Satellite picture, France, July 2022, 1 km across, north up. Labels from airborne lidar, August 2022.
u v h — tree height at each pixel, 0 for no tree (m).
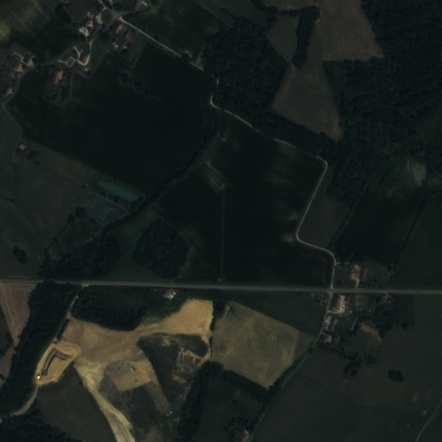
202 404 16
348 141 15
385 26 23
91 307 6
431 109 20
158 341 0
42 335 13
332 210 0
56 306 24
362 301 0
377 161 14
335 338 0
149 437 0
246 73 31
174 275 16
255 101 11
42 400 0
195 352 0
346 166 20
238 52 24
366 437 0
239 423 11
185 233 0
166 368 0
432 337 0
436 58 21
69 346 0
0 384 0
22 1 0
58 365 0
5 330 0
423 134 0
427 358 0
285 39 0
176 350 0
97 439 0
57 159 0
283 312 0
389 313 8
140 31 0
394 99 22
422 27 25
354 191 15
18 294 0
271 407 0
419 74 23
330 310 0
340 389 0
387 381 0
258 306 0
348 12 0
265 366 0
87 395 0
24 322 0
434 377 0
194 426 14
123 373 0
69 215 0
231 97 23
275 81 11
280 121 19
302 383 0
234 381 11
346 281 0
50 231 0
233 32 7
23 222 0
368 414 0
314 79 0
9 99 0
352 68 11
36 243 0
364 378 0
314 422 0
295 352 0
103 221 0
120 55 6
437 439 0
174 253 20
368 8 17
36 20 0
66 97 7
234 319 0
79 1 0
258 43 14
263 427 0
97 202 0
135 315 7
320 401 0
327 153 27
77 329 0
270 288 0
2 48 0
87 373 0
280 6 0
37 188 0
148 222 0
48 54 0
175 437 0
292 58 0
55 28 0
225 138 0
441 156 8
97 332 0
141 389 0
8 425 22
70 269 10
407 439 0
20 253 23
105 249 23
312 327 0
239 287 0
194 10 0
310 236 0
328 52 0
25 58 0
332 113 0
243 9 0
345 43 0
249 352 0
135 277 0
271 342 0
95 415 0
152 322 0
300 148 15
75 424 0
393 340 0
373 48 0
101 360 0
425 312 0
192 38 0
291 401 0
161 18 0
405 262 0
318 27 0
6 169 0
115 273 0
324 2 0
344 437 0
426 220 0
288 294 0
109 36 14
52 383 0
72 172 0
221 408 0
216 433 0
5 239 0
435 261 0
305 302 0
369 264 0
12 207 0
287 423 0
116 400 0
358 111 22
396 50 22
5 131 0
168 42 0
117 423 0
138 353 0
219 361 0
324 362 0
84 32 0
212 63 15
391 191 0
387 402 0
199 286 0
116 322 12
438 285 0
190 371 0
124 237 0
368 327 0
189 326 0
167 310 0
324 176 0
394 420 0
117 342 0
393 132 19
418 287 0
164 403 0
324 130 0
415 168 0
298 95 0
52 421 0
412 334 0
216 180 0
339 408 0
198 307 0
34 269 0
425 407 0
